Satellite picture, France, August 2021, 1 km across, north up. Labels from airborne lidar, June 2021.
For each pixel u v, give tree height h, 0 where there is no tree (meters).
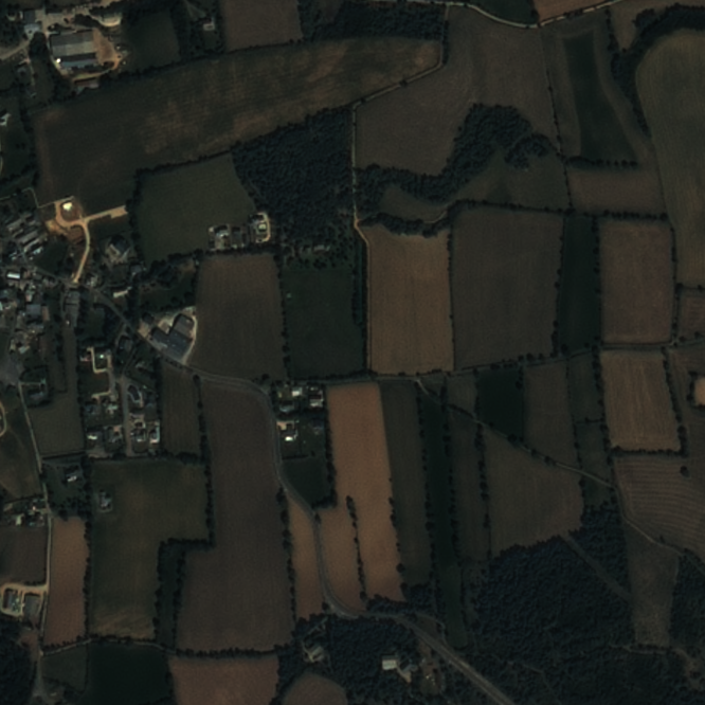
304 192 16
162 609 10
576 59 0
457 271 0
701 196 0
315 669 11
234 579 0
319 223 14
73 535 0
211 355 0
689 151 0
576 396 0
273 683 0
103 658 0
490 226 0
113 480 0
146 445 0
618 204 0
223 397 0
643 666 7
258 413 0
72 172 0
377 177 14
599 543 12
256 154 11
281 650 11
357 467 0
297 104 0
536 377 0
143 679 0
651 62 0
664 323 0
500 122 14
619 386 0
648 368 0
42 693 0
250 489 0
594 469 0
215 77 0
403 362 0
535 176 0
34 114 0
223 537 0
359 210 9
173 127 0
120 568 0
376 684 14
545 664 10
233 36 0
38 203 0
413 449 0
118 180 0
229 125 0
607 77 0
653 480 0
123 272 0
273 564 0
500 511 0
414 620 14
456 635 0
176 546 14
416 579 0
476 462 0
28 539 0
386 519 0
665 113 0
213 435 0
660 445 0
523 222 0
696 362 0
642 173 0
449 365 0
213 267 0
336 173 11
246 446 0
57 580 0
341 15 7
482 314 0
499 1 0
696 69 0
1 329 0
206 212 0
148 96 0
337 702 0
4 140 0
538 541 0
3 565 0
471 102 0
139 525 0
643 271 0
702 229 0
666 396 0
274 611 0
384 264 0
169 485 0
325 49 0
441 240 0
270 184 12
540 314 0
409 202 0
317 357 0
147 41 0
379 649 13
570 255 0
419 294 0
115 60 0
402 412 0
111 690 0
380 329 0
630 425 0
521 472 0
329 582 0
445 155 0
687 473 12
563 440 0
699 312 0
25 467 0
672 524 0
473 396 0
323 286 0
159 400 11
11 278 0
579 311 0
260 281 0
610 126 0
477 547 0
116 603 0
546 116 0
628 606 10
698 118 0
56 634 0
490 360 0
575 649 10
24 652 8
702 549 0
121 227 0
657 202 0
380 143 0
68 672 0
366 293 9
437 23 10
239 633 0
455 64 0
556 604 10
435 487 0
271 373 0
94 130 0
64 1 0
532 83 0
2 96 6
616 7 0
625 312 0
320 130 13
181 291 0
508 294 0
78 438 0
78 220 0
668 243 0
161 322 0
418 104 0
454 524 14
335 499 11
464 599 8
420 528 0
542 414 0
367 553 0
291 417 8
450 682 10
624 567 7
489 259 0
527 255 0
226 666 0
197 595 0
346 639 15
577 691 8
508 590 16
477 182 0
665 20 14
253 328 0
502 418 0
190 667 0
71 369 0
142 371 14
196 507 0
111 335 12
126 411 0
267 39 0
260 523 0
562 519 0
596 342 9
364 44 0
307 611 0
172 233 0
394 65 0
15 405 0
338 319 0
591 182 0
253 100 0
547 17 0
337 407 0
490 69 0
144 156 0
